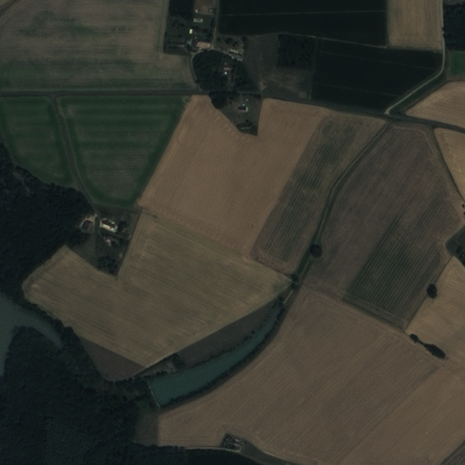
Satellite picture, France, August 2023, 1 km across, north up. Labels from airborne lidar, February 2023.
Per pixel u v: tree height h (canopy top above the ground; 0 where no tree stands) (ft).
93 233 0
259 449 0
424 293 0
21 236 66
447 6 26
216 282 0
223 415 0
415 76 0
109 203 0
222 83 28
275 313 0
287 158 0
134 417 57
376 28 0
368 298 0
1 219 69
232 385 0
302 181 0
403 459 0
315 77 0
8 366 54
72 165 0
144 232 0
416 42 0
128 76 0
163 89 0
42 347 64
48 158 0
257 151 0
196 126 0
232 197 0
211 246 0
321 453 0
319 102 0
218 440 0
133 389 52
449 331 0
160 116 0
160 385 0
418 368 0
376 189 0
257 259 0
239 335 0
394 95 0
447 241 0
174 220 0
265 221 0
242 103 0
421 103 0
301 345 0
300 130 0
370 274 0
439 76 0
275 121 0
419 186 0
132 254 0
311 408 0
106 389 57
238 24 0
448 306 0
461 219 0
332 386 0
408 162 0
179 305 0
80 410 60
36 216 66
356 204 0
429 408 0
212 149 0
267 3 0
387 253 0
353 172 0
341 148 0
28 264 62
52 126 0
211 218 0
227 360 0
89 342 0
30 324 0
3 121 0
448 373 0
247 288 0
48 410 47
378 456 0
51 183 0
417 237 0
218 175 0
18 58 0
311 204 0
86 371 65
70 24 0
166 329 0
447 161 0
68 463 64
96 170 0
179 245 0
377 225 0
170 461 74
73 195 58
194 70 18
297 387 0
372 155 0
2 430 56
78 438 64
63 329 22
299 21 0
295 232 0
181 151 0
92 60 0
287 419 0
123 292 0
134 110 0
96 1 0
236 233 0
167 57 0
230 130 0
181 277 0
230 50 0
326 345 0
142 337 0
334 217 0
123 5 0
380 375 0
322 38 0
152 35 0
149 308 0
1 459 70
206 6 0
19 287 66
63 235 67
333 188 0
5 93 0
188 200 0
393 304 0
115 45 0
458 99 0
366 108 0
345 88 0
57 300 0
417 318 0
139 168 0
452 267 0
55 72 0
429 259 0
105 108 0
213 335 0
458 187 0
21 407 70
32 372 72
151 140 0
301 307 0
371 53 0
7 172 66
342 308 0
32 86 0
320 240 0
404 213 0
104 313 0
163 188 0
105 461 53
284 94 0
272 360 0
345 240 0
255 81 0
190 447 0
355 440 0
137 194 0
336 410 0
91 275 0
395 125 0
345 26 0
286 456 0
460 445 0
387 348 0
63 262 0
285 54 51
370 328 0
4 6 0
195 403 0
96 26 0
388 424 0
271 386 0
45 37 0
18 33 0
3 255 68
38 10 0
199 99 0
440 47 0
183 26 24
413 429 0
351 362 0
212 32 19
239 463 19
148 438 0
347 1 0
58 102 0
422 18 0
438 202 0
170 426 0
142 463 82
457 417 0
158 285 0
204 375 0
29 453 68
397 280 0
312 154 0
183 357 0
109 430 48
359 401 0
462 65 0
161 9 0
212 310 0
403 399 0
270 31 0
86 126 0
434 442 0
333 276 0
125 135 0
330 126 0
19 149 0
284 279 0
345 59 0
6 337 0
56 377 72
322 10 0
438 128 0
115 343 0
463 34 61
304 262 0
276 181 0
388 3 0
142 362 0
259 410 0
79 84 0
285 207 0
